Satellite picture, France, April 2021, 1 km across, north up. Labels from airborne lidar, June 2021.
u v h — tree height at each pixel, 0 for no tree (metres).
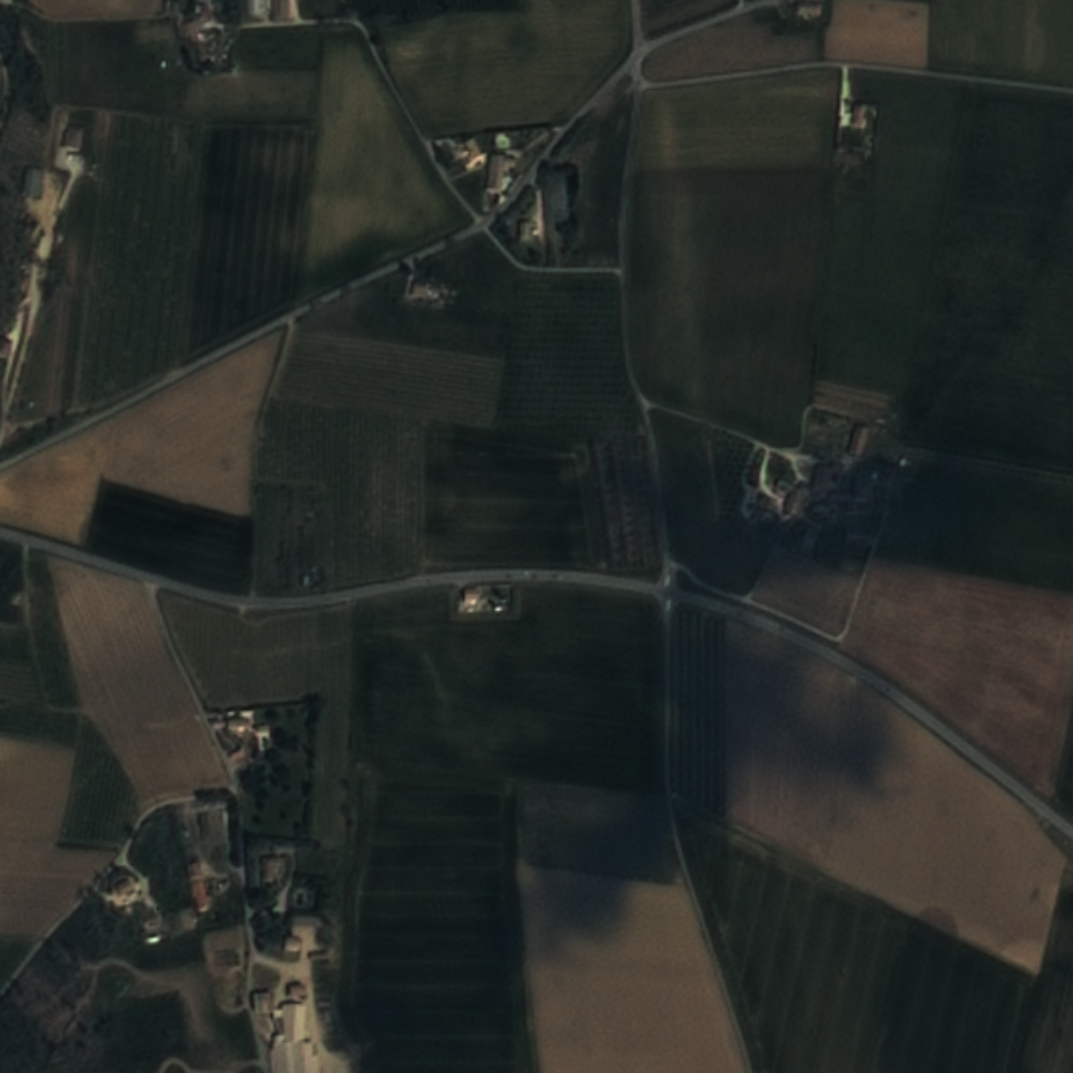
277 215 0
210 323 0
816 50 0
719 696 5
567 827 0
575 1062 0
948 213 0
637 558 7
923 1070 0
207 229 0
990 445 0
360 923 0
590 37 0
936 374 0
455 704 0
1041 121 0
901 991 0
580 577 0
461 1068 0
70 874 0
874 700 0
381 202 0
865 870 0
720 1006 0
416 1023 0
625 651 0
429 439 0
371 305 0
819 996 0
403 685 0
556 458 0
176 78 0
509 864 0
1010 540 0
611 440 7
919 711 0
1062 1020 0
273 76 0
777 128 0
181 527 0
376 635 0
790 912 0
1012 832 0
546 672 0
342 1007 0
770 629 0
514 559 0
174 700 0
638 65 0
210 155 0
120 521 0
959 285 0
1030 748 0
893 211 0
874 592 0
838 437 0
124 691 0
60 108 0
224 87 0
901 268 0
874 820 0
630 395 7
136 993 0
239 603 0
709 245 0
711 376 0
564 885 0
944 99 0
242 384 0
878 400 0
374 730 0
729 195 0
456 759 0
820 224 0
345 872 0
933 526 0
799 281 0
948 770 0
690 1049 0
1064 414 0
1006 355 0
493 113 0
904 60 0
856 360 0
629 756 0
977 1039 0
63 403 0
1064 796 0
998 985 0
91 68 0
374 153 0
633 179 0
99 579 0
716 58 0
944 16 0
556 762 0
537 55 0
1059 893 0
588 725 0
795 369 0
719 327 0
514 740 0
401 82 0
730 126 0
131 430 0
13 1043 14
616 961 0
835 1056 0
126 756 0
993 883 0
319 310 7
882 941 0
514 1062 0
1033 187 0
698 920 0
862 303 0
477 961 0
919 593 0
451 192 0
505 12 0
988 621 0
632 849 0
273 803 0
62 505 0
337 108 0
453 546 0
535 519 0
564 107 0
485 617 0
